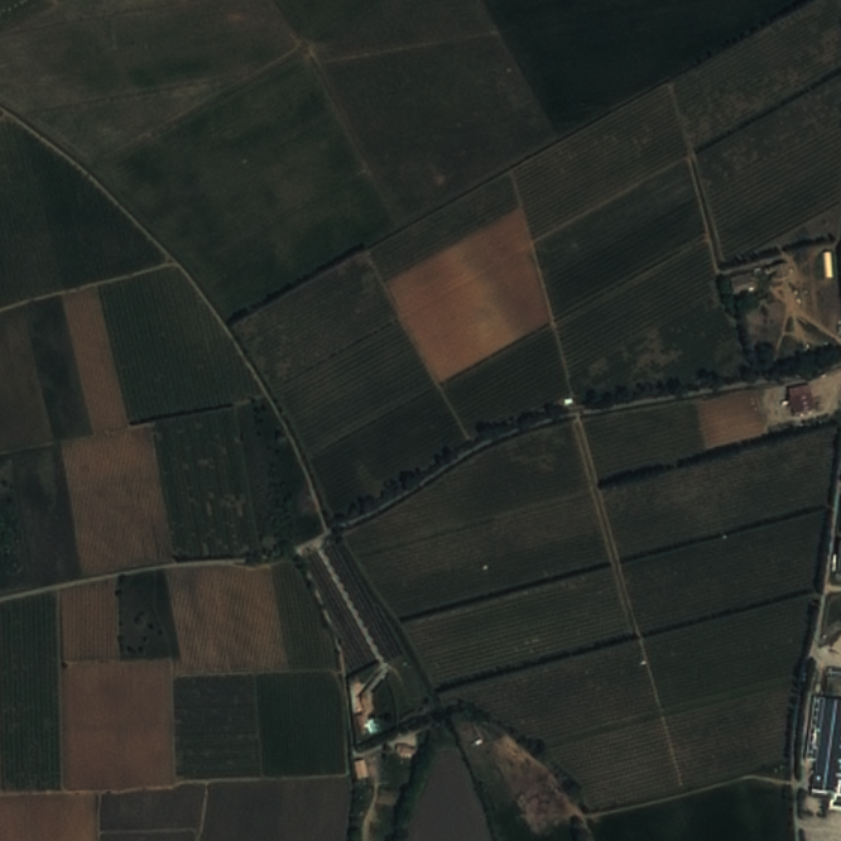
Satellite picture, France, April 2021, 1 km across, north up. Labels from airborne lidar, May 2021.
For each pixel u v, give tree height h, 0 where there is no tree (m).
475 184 0
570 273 0
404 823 15
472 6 0
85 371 0
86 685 0
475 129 0
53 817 0
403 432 0
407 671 0
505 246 0
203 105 0
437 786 0
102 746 0
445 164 0
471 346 0
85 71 0
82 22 0
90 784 0
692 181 0
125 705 0
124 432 0
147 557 0
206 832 0
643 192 0
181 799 0
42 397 0
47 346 0
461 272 0
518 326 0
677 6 0
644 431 0
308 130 0
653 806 0
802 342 0
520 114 0
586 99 0
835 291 0
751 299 19
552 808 0
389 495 9
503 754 0
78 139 0
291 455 0
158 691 0
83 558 0
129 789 0
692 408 0
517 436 7
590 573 9
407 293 0
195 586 0
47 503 0
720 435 0
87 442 0
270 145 0
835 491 8
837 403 0
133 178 0
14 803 0
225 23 0
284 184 0
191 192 0
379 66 0
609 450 0
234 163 0
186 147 0
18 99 0
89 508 0
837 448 11
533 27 0
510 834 0
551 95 0
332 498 0
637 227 0
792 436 13
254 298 0
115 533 0
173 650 0
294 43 0
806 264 0
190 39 0
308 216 0
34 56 0
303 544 0
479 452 7
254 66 0
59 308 0
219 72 0
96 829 0
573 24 0
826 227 0
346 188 0
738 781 0
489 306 0
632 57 0
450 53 0
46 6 0
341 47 0
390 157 0
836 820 0
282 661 0
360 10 0
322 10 0
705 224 0
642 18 0
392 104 0
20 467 0
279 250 0
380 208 0
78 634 0
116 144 0
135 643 0
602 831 0
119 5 0
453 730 7
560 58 0
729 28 0
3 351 0
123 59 0
